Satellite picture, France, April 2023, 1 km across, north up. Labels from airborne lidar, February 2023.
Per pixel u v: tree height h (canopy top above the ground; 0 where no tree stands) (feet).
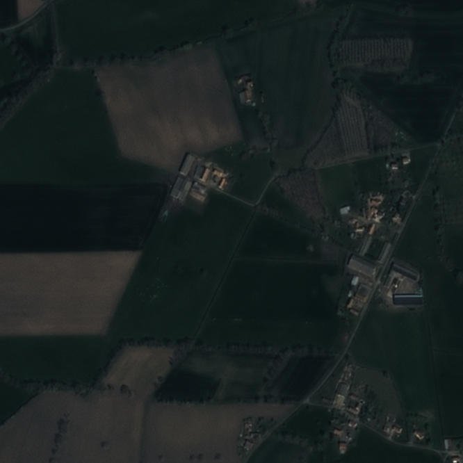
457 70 0
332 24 0
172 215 0
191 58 0
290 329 0
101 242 0
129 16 0
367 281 0
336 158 48
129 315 0
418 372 0
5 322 0
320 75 0
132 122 0
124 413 0
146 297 0
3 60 0
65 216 0
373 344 0
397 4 0
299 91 0
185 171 0
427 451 0
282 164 0
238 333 0
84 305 0
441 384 0
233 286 0
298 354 54
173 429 0
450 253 0
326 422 0
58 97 0
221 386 0
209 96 0
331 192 0
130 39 0
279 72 0
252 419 36
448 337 0
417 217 0
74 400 0
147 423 0
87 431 0
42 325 0
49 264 0
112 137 0
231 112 0
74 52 0
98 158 0
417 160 0
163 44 0
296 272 0
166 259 0
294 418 0
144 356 0
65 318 0
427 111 0
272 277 0
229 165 0
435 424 0
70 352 0
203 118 0
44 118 0
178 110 0
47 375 0
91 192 0
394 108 0
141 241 0
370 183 0
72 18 0
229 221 0
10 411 0
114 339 0
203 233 0
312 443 0
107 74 0
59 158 0
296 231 0
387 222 23
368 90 0
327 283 0
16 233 0
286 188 34
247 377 0
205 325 0
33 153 0
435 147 0
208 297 0
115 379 0
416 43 0
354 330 0
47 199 0
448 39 0
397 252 0
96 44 0
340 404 0
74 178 0
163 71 0
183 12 0
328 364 0
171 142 0
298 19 0
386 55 116
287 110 0
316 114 0
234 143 0
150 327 0
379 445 0
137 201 0
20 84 0
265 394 0
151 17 0
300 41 0
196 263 0
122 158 0
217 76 0
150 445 0
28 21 0
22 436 0
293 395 0
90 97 0
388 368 0
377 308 0
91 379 0
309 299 0
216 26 0
